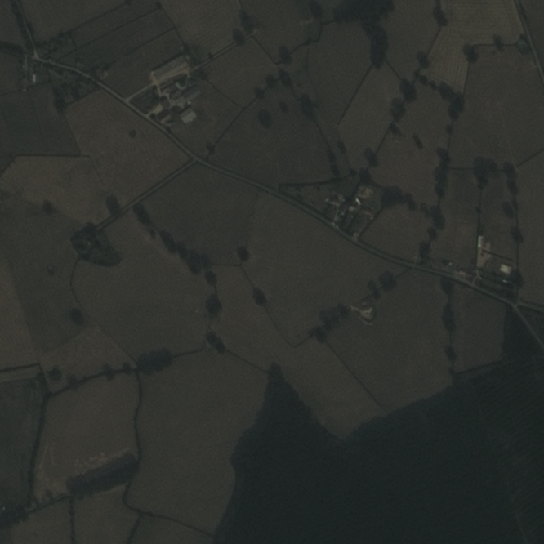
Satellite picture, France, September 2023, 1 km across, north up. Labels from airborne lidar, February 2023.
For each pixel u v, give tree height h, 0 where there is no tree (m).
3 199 0
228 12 0
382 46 16
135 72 0
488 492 22
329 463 19
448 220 0
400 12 0
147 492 0
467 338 0
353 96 0
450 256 0
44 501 14
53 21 0
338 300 0
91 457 0
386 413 0
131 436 0
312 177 0
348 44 0
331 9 0
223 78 0
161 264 0
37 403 0
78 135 0
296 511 20
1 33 0
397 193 18
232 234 0
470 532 20
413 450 21
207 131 0
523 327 6
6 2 0
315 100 0
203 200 0
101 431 0
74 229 0
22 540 0
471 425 21
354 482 20
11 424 0
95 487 20
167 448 0
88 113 0
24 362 0
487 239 0
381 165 0
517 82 0
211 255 0
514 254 0
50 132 0
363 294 0
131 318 0
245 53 0
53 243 0
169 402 0
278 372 10
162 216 0
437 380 0
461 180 0
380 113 0
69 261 0
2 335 0
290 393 17
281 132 0
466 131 0
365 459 21
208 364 0
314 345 0
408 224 0
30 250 0
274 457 20
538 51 0
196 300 0
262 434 19
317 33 0
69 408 0
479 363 0
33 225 0
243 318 0
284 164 0
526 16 16
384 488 20
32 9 0
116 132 0
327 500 19
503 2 0
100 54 0
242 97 0
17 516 10
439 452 23
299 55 0
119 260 0
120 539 0
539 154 0
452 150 0
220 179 0
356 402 0
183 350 0
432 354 0
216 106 0
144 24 0
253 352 0
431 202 0
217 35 0
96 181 0
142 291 0
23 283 0
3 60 0
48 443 0
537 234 0
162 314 0
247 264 0
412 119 0
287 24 0
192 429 0
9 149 0
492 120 0
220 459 0
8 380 0
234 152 0
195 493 0
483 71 0
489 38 0
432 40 0
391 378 0
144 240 0
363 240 0
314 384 0
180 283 0
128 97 0
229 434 0
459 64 0
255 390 0
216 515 0
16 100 0
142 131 0
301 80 0
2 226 0
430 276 0
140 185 0
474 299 0
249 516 20
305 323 0
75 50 0
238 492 13
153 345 0
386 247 0
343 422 0
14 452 0
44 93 0
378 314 0
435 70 0
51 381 0
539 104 0
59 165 0
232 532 20
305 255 0
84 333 0
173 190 0
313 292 0
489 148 0
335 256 0
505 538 19
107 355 0
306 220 0
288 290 0
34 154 0
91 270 0
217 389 0
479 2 0
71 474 0
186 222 0
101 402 0
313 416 15
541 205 0
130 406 0
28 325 0
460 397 21
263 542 19
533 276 0
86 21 0
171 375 0
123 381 0
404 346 0
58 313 0
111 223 0
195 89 0
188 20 0
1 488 0
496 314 0
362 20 12
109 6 0
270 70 0
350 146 0
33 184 0
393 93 0
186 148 0
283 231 0
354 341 0
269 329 0
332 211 0
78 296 0
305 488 19
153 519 0
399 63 0
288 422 20
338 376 0
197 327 0
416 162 0
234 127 0
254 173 0
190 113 0
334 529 20
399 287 0
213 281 15
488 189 0
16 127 0
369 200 0
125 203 0
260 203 0
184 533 0
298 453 18
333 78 0
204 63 0
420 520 19
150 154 0
